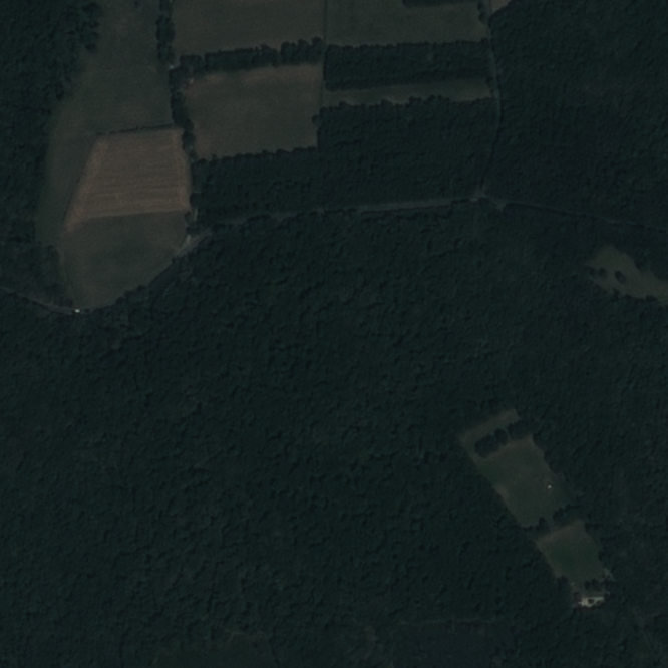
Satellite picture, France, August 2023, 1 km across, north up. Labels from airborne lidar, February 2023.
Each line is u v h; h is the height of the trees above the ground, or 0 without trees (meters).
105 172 0
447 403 25
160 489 20
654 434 24
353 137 14
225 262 22
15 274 16
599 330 22
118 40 0
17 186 18
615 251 0
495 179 26
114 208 0
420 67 11
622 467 20
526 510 0
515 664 22
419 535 26
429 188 13
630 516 19
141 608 17
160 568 15
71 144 0
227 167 17
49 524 17
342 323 23
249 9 0
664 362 20
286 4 0
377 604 17
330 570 24
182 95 9
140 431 23
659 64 20
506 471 0
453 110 13
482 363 23
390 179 21
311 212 19
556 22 15
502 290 17
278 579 19
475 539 24
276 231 18
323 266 23
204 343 21
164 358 23
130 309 17
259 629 9
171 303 22
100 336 22
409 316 20
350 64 16
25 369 17
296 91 0
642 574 24
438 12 0
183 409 15
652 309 18
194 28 0
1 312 17
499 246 20
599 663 17
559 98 23
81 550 22
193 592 21
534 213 19
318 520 23
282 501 21
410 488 22
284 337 21
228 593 19
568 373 17
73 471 20
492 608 20
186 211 0
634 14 21
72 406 21
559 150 19
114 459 22
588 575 0
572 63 17
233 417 20
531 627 23
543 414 24
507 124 17
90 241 0
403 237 17
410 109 15
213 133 0
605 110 22
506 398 21
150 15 0
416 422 20
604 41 18
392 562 27
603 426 16
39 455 18
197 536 18
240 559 20
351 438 21
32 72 14
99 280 0
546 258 17
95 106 0
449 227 16
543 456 0
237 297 21
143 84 0
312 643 20
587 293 22
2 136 14
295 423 18
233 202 19
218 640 19
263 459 22
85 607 22
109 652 15
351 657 18
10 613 22
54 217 0
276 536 16
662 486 22
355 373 21
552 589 28
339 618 21
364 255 20
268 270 19
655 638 16
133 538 15
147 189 0
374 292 16
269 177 19
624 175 22
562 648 21
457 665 0
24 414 18
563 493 0
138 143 0
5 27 15
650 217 23
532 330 23
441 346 22
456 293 17
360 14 0
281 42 0
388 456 19
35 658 24
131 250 0
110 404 17
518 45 17
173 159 0
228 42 0
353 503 22
